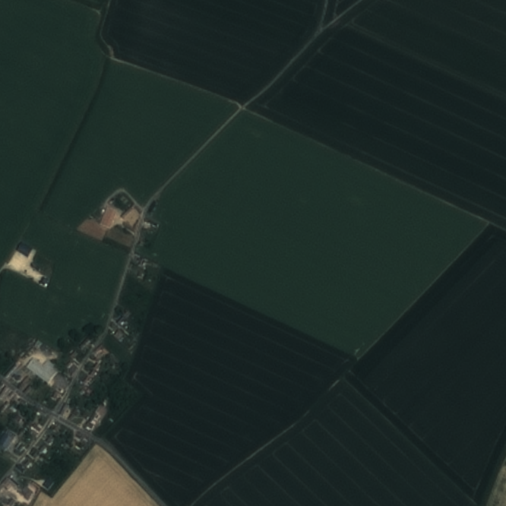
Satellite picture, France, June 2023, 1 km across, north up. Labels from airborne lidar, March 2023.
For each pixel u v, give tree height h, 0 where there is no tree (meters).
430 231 0
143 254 0
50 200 0
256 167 0
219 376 0
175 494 0
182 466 0
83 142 0
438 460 0
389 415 0
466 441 0
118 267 0
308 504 0
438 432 0
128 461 0
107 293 0
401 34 0
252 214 0
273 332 0
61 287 0
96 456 0
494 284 0
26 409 6
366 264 0
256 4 0
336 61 0
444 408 0
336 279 0
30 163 0
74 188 0
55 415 0
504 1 0
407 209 0
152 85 0
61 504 0
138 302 0
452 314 0
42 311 0
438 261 0
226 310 0
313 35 0
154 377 0
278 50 0
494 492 0
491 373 0
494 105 0
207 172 0
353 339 0
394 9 0
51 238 0
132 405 0
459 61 0
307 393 0
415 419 0
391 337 0
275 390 0
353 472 0
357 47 0
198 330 0
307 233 0
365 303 0
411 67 0
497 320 0
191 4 0
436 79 0
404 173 0
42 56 0
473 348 0
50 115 0
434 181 0
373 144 0
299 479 0
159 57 0
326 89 0
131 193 0
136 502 0
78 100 0
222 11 0
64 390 0
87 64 0
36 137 0
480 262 0
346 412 0
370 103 0
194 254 0
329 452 0
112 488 0
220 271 0
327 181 0
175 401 0
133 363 0
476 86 0
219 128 0
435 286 0
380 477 0
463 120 0
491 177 0
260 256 0
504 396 0
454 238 0
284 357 0
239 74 0
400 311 0
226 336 0
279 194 0
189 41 0
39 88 0
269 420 0
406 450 0
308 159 0
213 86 0
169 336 0
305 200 0
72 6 0
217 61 0
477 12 0
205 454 0
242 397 0
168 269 0
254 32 0
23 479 0
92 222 0
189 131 0
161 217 0
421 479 0
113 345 0
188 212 0
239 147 0
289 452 0
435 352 0
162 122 0
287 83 0
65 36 0
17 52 0
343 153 0
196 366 0
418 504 0
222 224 0
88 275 0
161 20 0
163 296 0
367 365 0
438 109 0
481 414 0
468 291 0
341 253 0
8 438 0
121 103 0
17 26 0
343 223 0
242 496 0
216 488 0
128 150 0
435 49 0
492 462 0
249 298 0
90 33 0
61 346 15
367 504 0
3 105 0
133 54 0
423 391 0
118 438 0
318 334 0
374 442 0
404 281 0
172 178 0
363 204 0
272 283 0
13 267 0
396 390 0
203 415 0
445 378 0
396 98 0
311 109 0
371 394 0
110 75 0
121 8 0
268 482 0
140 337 0
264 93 0
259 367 0
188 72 0
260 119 0
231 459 0
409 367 0
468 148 0
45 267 0
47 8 0
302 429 0
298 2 0
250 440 0
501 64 0
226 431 0
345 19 0
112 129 0
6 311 0
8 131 0
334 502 0
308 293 0
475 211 0
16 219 0
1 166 0
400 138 0
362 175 0
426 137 0
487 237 0
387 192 0
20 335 0
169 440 0
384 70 0
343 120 0
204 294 0
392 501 0
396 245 0
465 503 0
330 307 0
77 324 0
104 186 0
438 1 0
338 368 0
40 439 0
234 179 0
